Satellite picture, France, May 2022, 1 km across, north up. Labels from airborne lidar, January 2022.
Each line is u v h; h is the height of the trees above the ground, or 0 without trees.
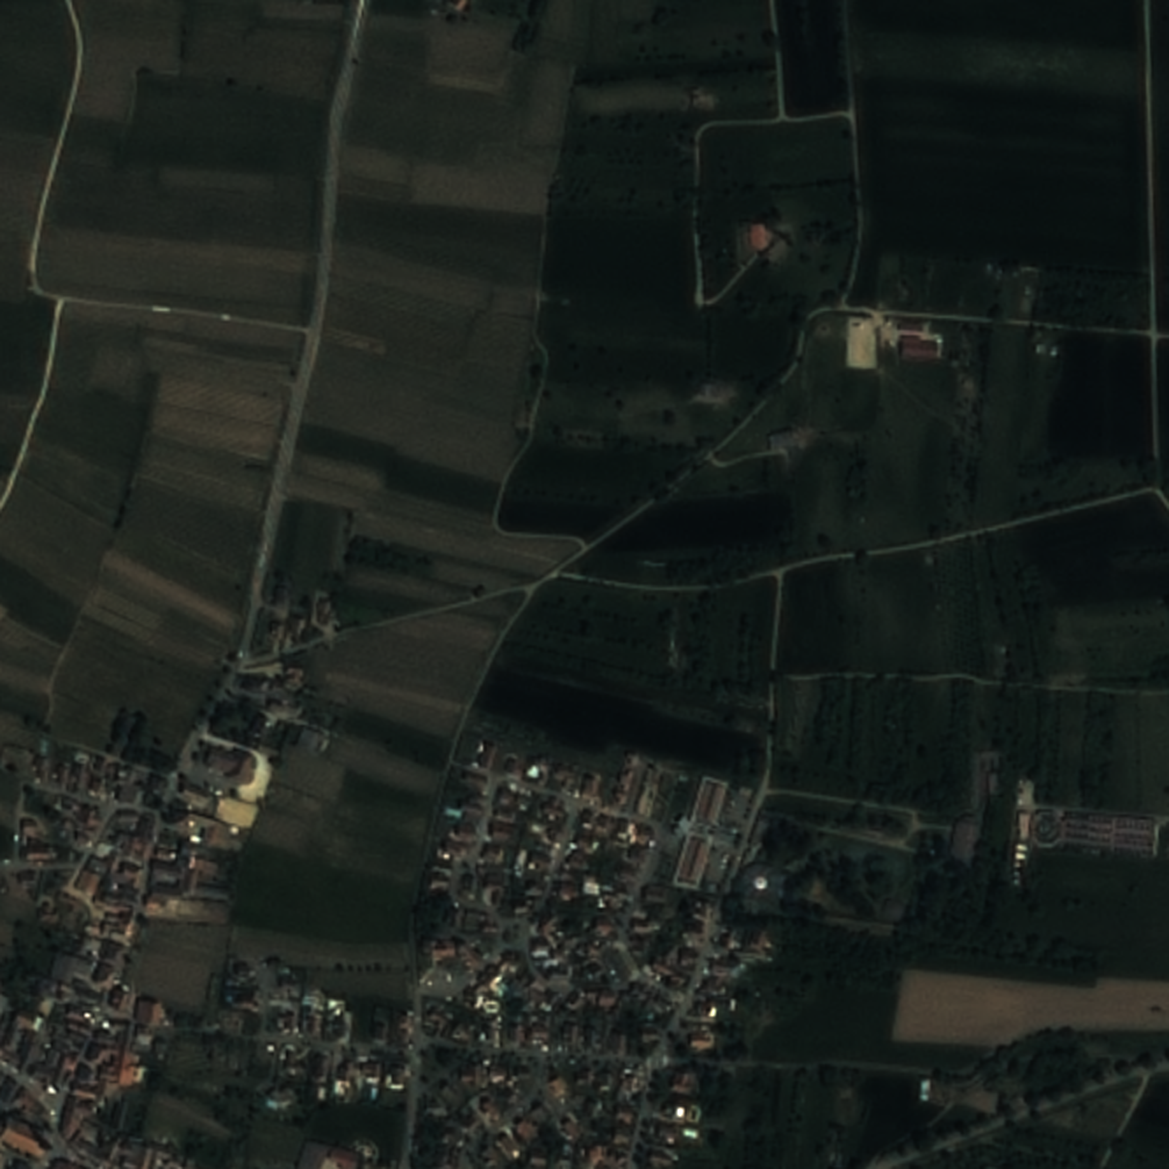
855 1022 0
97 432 0
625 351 0
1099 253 0
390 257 0
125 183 0
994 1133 0
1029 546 0
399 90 0
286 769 0
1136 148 0
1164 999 0
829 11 0
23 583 0
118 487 0
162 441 0
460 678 0
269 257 0
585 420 0
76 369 0
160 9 0
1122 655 0
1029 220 0
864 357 0
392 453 0
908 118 0
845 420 0
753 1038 0
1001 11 0
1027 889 11
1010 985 0
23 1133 0
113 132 0
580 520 0
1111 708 6
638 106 0
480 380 0
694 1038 0
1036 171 0
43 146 0
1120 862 0
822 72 0
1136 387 0
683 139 8
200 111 0
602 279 0
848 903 13
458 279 0
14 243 0
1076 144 0
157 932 0
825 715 7
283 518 0
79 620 0
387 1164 7
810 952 7
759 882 0
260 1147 0
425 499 0
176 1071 0
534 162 0
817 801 0
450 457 0
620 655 0
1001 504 0
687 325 0
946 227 0
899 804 11
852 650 0
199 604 0
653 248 0
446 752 0
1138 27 0
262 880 0
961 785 7
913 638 0
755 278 0
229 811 0
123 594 0
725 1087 13
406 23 0
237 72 0
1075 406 0
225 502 0
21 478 0
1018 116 0
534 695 0
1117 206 0
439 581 0
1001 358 0
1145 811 0
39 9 0
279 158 0
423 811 0
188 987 0
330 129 0
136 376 0
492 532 0
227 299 0
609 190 0
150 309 0
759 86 0
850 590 0
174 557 0
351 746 0
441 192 0
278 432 0
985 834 6
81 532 0
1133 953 0
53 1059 0
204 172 0
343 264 0
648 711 0
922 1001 0
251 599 0
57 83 0
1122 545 0
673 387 0
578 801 0
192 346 0
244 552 0
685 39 0
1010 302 0
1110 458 0
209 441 0
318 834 0
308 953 0
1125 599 0
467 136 0
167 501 0
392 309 0
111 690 0
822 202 0
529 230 0
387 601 0
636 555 0
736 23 0
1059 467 12
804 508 0
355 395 0
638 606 0
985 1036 0
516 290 0
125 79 0
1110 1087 0
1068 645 0
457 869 0
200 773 0
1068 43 0
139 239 0
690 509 0
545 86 0
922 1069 0
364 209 0
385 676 0
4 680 0
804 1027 0
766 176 0
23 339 0
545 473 0
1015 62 0
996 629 0
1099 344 0
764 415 0
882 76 0
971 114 0
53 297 0
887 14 0
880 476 0
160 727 0
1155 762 0
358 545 7
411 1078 0
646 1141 8
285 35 0
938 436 0
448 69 0
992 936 10
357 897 0
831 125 0
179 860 0
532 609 0
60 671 0
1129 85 0
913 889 0
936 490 0
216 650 0
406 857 0
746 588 0
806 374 0
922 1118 0
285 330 0
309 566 0
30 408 0
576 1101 0
